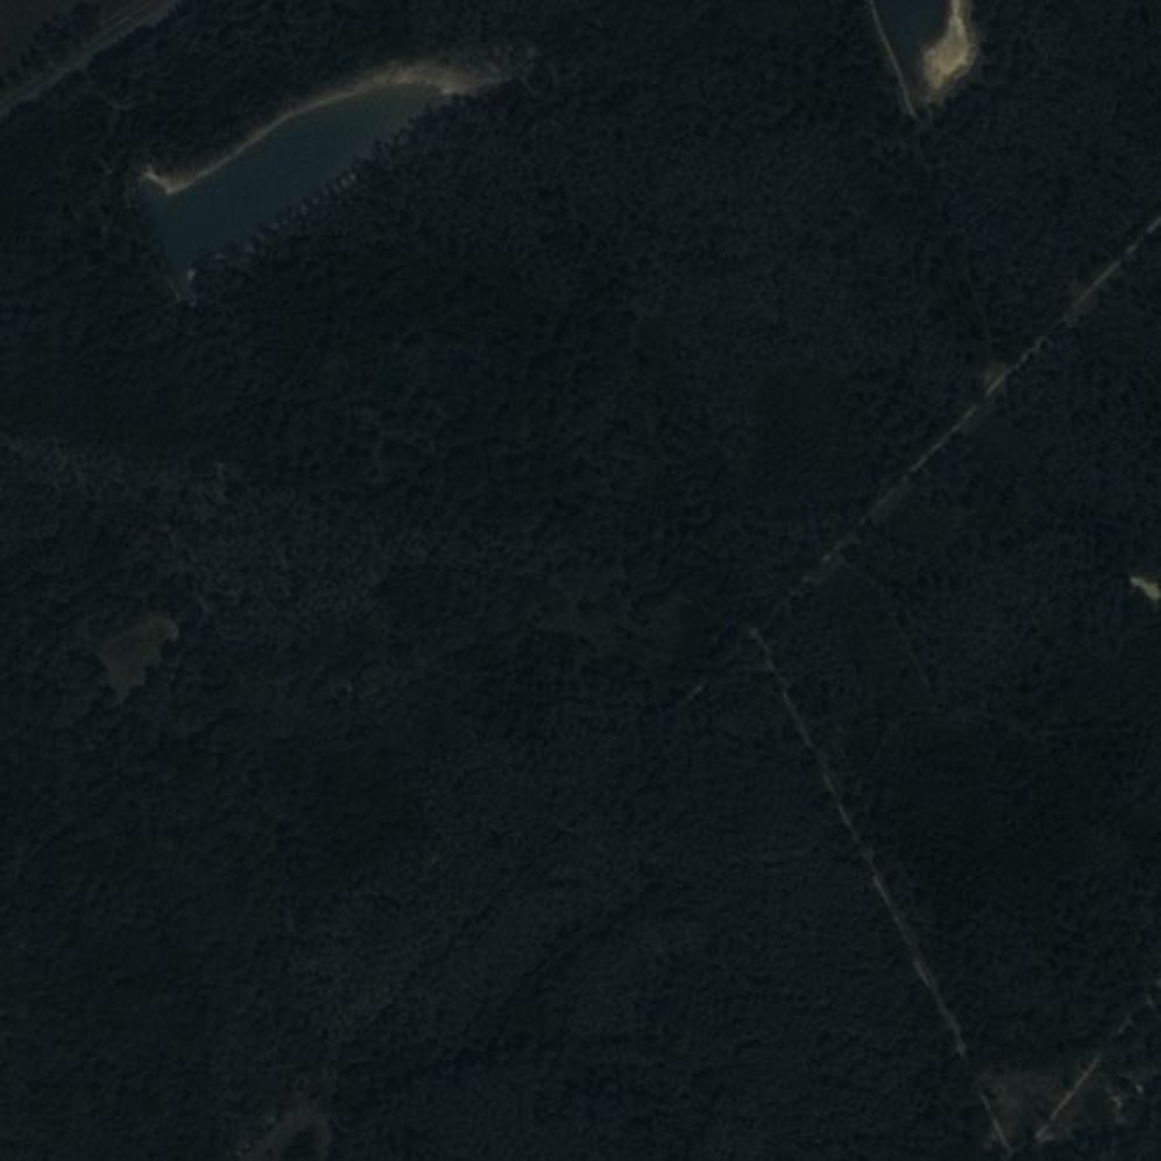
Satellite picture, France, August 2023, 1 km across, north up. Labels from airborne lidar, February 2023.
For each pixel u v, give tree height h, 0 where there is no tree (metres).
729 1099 20
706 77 23
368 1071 14
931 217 15
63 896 15
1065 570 23
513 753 22
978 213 15
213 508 20
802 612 19
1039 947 19
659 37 24
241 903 21
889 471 14
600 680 16
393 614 13
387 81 0
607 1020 20
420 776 21
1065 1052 13
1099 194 21
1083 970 21
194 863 20
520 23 23
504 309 16
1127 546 22
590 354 13
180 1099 19
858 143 16
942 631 21
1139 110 14
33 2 0
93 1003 26
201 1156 20
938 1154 21
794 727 15
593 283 13
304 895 17
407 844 12
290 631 20
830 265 19
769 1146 10
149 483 21
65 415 22
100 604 25
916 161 15
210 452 12
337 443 21
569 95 16
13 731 18
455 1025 23
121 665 0
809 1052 11
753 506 6
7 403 23
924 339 20
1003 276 17
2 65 0
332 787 22
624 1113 21
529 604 19
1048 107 20
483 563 13
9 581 16
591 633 0
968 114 14
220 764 21
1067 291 21
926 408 18
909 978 13
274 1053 12
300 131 0
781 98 17
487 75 0
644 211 24
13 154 16
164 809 20
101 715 20
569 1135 24
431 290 6
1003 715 20
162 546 19
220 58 14
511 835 23
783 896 10
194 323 16
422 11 24
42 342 23
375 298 13
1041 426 22
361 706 20
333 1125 0
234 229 0
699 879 13
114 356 17
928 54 0
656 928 22
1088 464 22
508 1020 16
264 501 21
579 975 19
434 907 22
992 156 19
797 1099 11
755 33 21
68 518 18
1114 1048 16
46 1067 19
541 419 18
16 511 17
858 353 20
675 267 19
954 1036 9
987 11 15
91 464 22
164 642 0
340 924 23
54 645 18
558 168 20
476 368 22
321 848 18
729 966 10
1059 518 20
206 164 23
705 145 22
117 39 0
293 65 8
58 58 23
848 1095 18
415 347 20
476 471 24
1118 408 23
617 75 19
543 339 8
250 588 22
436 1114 23
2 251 19
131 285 21
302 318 7
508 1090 23
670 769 22
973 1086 19
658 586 17
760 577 23
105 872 23
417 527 20
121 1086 14
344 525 19
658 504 7
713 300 24
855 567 20
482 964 22
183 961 25
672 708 14
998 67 14
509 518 14
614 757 17
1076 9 17
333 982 25
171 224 0
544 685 15
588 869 22
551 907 21
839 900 13
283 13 19
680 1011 8
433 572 14
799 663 21
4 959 25
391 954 23
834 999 9
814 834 9
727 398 19
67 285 17
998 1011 12
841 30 13
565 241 18
